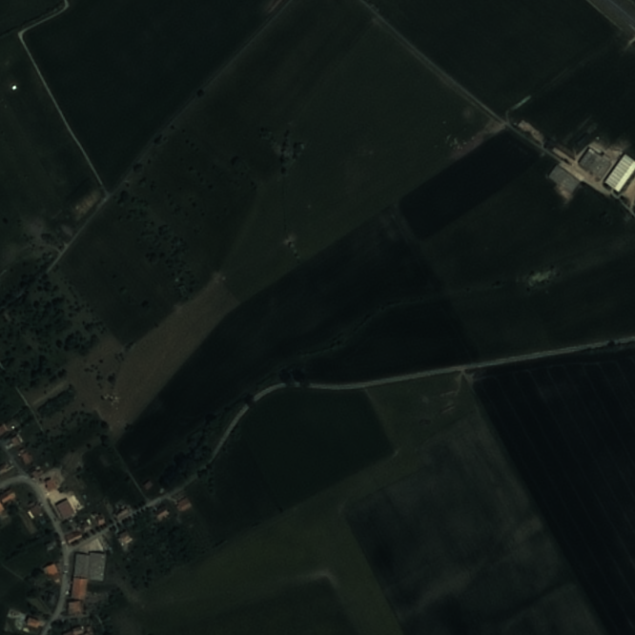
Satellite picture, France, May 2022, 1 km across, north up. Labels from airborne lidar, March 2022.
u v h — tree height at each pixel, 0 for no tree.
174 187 0
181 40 0
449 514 0
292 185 0
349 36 0
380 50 0
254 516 0
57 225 0
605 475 0
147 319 0
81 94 0
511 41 0
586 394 0
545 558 0
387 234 0
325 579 0
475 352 0
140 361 0
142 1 0
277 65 0
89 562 0
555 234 0
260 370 0
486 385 0
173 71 0
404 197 0
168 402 0
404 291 0
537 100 0
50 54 0
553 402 0
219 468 0
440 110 0
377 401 0
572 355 0
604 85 0
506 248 0
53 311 10
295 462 0
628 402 0
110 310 0
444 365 0
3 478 0
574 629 0
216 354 0
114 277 6
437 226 0
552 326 0
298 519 0
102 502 0
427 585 0
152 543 6
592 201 0
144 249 0
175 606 0
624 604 0
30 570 0
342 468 0
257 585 0
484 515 0
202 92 10
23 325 7
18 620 0
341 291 0
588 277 0
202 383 0
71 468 0
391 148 0
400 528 0
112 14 0
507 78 0
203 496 0
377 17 0
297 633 0
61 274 0
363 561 0
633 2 0
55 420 0
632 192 0
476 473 0
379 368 0
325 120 0
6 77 0
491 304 0
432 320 0
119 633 0
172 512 0
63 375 10
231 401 0
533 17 0
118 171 0
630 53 0
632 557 0
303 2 0
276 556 0
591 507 0
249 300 0
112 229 0
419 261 0
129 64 0
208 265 0
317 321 0
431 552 0
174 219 0
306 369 0
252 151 0
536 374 0
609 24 0
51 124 0
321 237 0
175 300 0
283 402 0
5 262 0
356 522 0
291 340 0
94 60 0
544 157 0
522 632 0
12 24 0
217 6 0
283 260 0
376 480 0
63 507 0
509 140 0
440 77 0
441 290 0
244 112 0
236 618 0
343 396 0
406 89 0
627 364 0
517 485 0
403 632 0
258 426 0
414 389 0
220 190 0
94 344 9
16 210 0
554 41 0
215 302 0
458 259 0
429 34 0
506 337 0
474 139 0
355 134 0
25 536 0
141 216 6
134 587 11
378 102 0
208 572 0
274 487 0
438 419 0
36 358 0
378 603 0
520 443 0
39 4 0
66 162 0
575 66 0
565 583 0
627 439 0
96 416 0
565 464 0
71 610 0
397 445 0
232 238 0
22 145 0
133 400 0
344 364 0
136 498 0
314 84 0
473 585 0
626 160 0
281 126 0
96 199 0
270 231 0
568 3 0
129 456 0
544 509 0
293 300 0
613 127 0
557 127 0
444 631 0
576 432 0
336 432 0
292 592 0
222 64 0
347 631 0
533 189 0
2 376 11
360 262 0
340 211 0
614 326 0
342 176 0
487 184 0
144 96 0
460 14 0
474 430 0
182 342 0
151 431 0
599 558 0
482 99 0
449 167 0
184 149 0
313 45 0
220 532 0
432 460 0
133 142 0
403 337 0
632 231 0
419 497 0
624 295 0
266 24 0
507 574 0
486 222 0
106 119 0
